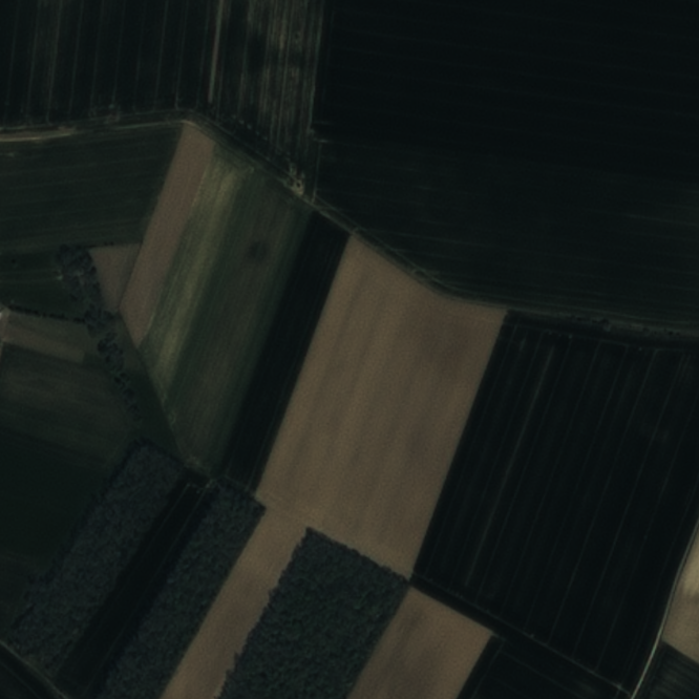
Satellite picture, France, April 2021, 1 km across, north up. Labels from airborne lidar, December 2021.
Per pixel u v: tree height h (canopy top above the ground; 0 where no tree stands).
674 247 0
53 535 0
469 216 0
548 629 0
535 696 0
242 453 0
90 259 14
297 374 0
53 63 0
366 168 0
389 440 0
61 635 18
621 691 0
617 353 0
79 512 0
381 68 0
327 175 0
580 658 0
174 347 0
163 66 0
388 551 0
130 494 20
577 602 0
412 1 0
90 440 0
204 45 0
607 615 0
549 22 0
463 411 0
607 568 0
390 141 0
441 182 0
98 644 0
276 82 0
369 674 0
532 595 0
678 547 0
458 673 0
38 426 0
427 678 0
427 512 0
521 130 0
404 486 0
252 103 0
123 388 9
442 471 0
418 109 0
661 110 0
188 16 0
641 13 0
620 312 0
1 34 0
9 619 0
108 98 0
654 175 0
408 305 0
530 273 0
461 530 0
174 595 21
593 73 0
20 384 0
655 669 0
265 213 0
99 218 0
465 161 0
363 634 21
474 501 0
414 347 0
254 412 0
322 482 0
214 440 0
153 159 0
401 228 0
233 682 18
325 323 0
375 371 0
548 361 0
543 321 0
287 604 17
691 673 0
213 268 0
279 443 0
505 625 0
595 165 0
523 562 0
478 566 0
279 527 0
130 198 0
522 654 0
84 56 0
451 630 0
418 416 0
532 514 0
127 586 0
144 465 15
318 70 0
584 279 0
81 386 0
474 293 0
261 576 0
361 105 0
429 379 0
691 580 0
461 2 0
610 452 0
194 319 0
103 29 0
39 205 0
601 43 0
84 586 24
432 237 0
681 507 0
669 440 0
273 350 0
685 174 0
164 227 0
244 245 0
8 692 0
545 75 0
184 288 0
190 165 0
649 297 0
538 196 0
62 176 0
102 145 0
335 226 0
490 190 0
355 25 0
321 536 13
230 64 0
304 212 0
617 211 0
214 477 0
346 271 0
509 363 0
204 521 16
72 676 0
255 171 0
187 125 0
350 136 0
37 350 0
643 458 0
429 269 0
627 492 0
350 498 0
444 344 0
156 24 0
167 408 0
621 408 0
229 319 0
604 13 0
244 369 0
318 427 0
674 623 0
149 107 0
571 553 0
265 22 0
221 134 0
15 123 0
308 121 0
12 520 0
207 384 0
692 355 0
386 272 0
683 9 0
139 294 0
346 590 23
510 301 0
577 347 0
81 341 0
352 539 0
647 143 0
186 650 11
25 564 0
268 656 23
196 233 0
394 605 19
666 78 0
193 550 16
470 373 0
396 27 0
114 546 22
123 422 0
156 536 0
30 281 0
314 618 20
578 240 0
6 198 0
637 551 0
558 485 0
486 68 0
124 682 21
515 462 0
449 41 0
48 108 0
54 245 0
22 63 0
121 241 0
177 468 20
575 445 0
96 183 0
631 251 0
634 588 0
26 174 0
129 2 0
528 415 0
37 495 0
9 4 0
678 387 0
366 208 0
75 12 0
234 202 0
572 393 0
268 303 0
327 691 18
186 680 0
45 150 0
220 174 0
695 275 0
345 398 0
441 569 0
